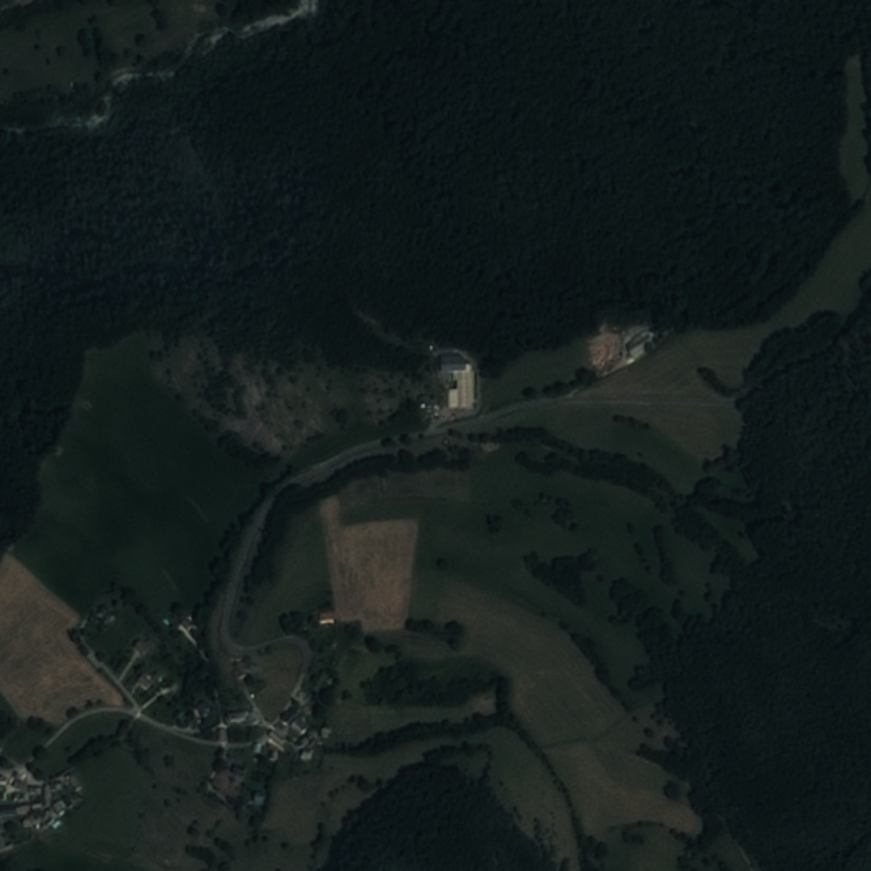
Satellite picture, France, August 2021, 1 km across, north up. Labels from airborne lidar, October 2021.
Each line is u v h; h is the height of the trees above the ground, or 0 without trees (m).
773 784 17
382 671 9
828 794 19
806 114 27
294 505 13
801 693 20
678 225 31
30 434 11
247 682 11
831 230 13
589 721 0
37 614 0
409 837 20
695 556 0
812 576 22
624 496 0
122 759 0
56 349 21
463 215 34
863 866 14
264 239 19
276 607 0
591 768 0
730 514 17
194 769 0
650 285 30
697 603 0
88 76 0
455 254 30
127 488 0
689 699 12
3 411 23
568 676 0
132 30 0
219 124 17
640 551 8
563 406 0
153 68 13
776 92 22
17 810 0
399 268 22
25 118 8
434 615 0
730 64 23
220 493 0
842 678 19
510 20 30
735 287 32
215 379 7
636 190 20
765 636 19
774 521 16
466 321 25
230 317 15
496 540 0
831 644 18
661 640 14
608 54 26
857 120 0
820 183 27
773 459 18
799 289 11
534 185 22
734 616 15
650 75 23
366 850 24
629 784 0
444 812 20
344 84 25
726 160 33
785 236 28
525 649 0
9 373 21
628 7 23
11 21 18
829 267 0
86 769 0
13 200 15
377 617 0
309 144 18
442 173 31
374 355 13
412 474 9
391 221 20
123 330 18
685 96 30
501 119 32
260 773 5
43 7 14
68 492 0
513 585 0
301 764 6
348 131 23
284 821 0
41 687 0
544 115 27
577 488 0
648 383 0
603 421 0
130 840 0
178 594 0
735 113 24
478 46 32
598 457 11
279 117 28
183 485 0
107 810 0
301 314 19
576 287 26
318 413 0
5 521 35
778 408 17
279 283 16
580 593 11
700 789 15
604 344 0
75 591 0
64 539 0
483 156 28
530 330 22
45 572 0
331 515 0
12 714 0
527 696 0
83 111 10
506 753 0
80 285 13
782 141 27
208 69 9
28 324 17
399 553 0
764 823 19
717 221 28
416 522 0
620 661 0
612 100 30
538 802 0
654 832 0
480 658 0
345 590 0
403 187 18
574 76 36
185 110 14
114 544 0
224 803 8
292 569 0
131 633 0
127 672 0
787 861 19
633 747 0
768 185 39
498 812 13
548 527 0
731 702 20
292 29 10
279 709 0
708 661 15
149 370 0
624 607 18
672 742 11
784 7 30
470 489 0
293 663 0
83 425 0
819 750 21
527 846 12
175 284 9
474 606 0
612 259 25
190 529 0
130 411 0
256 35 7
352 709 0
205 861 12
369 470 15
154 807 0
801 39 24
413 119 23
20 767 0
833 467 18
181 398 8
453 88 26
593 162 27
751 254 17
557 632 0
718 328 7
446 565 9
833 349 10
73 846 0
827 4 33
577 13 31
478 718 13
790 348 21
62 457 0
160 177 9
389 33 23
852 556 20
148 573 0
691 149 29
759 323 14
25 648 0
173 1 0
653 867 0
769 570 12
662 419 0
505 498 0
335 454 0
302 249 15
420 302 23
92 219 8
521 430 12
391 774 0
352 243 20
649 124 32
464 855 15
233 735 9
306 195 20
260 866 0
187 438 0
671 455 0
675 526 8
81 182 16
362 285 21
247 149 16
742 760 21
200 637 8
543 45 34
